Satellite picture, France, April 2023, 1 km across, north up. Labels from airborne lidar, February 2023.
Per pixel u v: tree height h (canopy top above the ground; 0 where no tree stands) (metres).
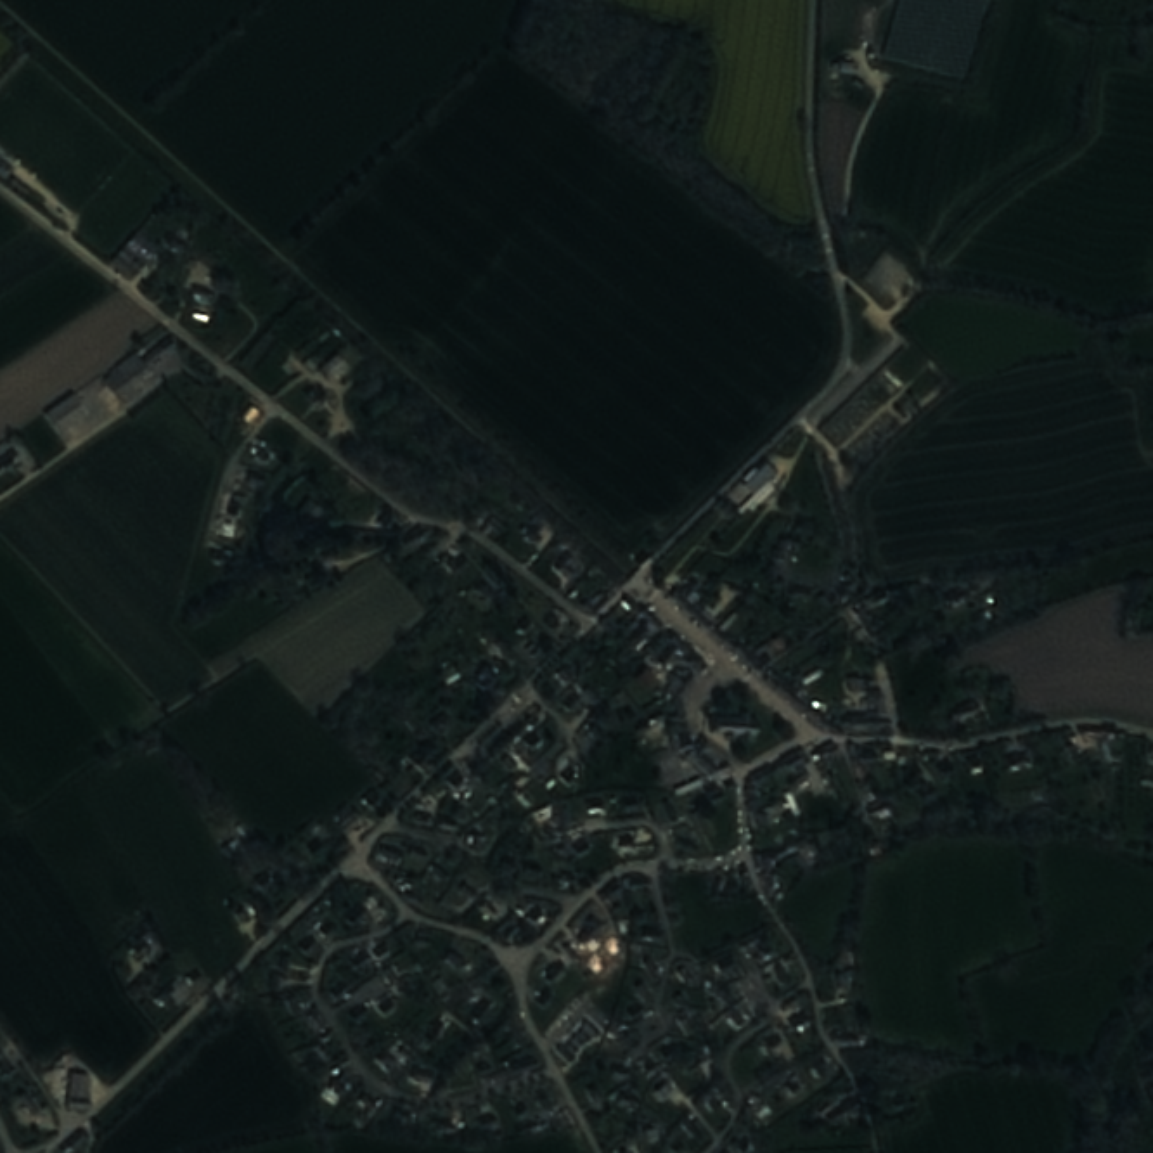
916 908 0
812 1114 8
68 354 0
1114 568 0
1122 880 0
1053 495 0
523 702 0
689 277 0
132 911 0
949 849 0
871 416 0
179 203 11
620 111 18
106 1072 0
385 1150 0
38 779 0
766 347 0
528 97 0
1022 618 11
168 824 0
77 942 0
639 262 0
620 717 12
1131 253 0
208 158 0
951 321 0
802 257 11
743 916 0
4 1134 0
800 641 10
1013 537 0
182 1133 0
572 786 0
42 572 0
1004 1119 0
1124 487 0
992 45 0
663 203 0
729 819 0
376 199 0
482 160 0
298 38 0
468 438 9
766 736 0
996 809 14
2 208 0
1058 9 6
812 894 0
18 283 0
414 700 6
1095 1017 0
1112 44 0
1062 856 0
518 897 11
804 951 9
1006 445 0
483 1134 12
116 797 0
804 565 0
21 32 6
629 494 0
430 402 14
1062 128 0
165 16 0
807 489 0
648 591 0
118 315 0
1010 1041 0
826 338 0
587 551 11
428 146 0
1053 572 6
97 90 0
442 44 0
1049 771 6
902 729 10
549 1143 0
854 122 0
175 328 0
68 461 0
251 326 0
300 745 0
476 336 0
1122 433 0
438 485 22
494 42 0
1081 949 0
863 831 8
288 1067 0
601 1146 6
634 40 6
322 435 0
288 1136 6
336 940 0
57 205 0
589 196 0
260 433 0
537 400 0
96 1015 0
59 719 0
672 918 10
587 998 0
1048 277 0
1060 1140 0
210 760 0
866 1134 7
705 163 10
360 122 0
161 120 0
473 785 0
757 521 0
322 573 13
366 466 25
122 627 0
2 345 0
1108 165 0
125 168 0
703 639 0
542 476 7
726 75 0
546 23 19
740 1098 9
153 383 0
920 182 0
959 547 0
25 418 0
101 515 0
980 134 0
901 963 0
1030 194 0
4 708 0
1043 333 0
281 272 8
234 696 0
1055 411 0
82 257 0
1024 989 0
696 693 0
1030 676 0
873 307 0
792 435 6
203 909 0
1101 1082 27
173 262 13
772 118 0
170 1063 13
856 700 0
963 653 13
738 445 0
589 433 0
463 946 0
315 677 0
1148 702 0
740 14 0
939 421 0
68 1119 0
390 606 0
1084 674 0
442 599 7
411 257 0
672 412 0
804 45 0
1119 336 9
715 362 0
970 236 0
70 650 0
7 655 0
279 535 21
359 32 0
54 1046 0
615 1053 0
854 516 11
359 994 0
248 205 0
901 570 0
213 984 0
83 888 0
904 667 0
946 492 0
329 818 0
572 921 0
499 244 0
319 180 0
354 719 6
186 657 0
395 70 0
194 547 0
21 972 0
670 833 0
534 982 0
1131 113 0
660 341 0
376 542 12
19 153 0
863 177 0
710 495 0
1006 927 0
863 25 0
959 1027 0
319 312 8
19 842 0
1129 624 12
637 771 0
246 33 0
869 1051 6
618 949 0
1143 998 23
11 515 0
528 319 0
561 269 0
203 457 0
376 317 0
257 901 13
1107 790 0
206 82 0
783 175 0
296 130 0
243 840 10
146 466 0
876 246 0
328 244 0
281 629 0
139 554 0
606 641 7
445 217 0
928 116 0
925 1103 0
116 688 0
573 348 0
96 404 0
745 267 0
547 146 0
